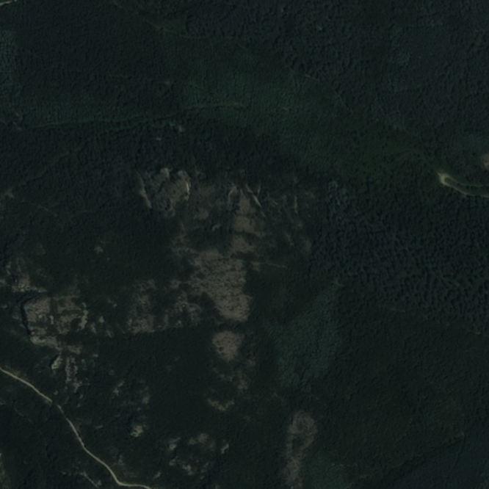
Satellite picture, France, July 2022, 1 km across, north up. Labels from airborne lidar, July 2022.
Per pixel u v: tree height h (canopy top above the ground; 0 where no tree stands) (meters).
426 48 20
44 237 8
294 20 22
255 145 13
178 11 10
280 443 6
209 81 9
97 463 6
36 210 7
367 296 14
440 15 22
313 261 22
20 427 12
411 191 12
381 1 17
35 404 9
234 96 7
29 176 14
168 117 6
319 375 14
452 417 12
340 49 20
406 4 11
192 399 14
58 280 10
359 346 12
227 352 0
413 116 18
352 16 18
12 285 7
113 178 7
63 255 8
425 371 14
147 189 11
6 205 9
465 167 16
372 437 10
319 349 20
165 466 10
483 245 24
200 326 9
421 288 27
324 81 23
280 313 9
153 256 14
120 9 13
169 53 8
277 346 16
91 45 14
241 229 0
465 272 21
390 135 6
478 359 13
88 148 13
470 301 26
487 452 11
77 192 8
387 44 19
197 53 9
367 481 11
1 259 9
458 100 19
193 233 6
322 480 10
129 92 11
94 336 7
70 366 9
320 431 13
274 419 13
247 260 6
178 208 6
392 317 12
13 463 10
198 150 14
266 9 23
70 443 12
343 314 19
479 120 24
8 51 15
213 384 6
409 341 16
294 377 12
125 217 9
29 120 10
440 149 13
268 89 10
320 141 8
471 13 18
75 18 15
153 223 10
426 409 15
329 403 11
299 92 10
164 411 11
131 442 6
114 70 12
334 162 8
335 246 25
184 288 7
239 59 10
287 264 7
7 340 9
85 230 10
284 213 11
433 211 12
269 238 6
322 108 7
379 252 28
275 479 9
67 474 14
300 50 27
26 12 10
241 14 26
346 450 14
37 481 8
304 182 14
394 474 11
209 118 10
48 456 8
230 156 11
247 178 10
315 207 8
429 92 22
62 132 9
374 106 18
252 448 12
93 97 10
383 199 19
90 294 10
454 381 7
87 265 10
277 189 9
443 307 24
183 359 7
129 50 13
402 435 10
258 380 10
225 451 14
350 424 9
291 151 9
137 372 8
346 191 23
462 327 13
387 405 11
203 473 12
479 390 17
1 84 10
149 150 20
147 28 13
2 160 9
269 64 11
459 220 20
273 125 8
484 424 12
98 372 9
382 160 8
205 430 9
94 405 9
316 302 14
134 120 7
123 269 11
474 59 20
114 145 11
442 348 15
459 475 13
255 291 13
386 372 11
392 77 14
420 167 12
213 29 24
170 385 10
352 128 7
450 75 19
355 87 24
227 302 0
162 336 12
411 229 13
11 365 8
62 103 12
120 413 7
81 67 16
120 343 11
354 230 28
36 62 15
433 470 11
